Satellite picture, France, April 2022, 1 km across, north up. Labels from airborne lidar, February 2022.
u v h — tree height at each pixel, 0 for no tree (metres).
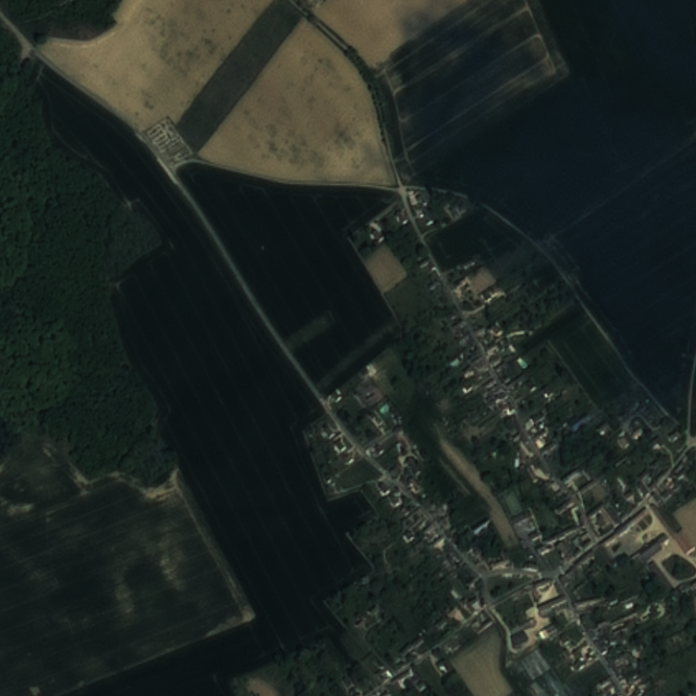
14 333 23
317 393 0
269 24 0
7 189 26
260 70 0
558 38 0
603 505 0
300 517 0
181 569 0
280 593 0
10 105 18
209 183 0
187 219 0
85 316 18
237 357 0
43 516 0
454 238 0
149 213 0
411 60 0
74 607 0
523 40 0
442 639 8
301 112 0
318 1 0
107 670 0
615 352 0
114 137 0
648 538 0
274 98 0
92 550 0
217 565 0
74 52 0
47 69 0
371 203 0
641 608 6
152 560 0
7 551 0
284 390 0
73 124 0
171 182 0
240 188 0
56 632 0
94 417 16
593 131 0
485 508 0
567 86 0
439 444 0
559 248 0
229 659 0
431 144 0
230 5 0
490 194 0
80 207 16
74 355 22
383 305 0
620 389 0
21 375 26
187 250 0
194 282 0
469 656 0
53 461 0
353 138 0
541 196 0
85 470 10
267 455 0
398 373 0
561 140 0
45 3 6
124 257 21
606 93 0
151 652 0
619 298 0
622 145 0
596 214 0
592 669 0
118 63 0
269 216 0
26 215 27
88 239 17
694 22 0
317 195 0
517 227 0
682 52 0
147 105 0
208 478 0
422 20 0
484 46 0
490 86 0
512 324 9
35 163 21
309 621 0
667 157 0
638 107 0
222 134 0
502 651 0
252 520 0
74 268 17
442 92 0
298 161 0
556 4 0
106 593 0
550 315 9
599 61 0
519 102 0
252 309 0
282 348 0
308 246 0
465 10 0
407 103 0
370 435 9
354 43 0
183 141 0
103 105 0
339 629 0
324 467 8
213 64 0
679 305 0
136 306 0
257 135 0
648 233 0
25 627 0
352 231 0
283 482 0
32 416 21
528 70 0
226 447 0
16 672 0
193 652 0
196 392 0
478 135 0
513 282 0
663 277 0
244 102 0
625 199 0
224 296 0
